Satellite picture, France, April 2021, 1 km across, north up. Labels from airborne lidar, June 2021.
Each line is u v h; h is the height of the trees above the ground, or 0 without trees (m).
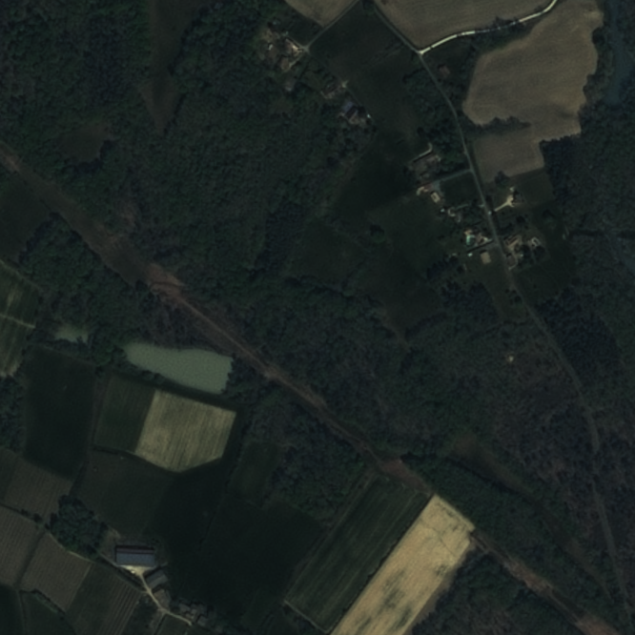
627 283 17
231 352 0
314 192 22
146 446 0
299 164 15
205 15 16
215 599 0
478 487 22
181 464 0
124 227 14
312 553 0
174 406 0
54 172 17
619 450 21
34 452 0
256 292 21
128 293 19
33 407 0
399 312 0
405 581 0
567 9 0
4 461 0
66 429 0
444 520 0
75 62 20
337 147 19
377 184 0
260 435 11
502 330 11
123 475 0
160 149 19
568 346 15
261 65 13
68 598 0
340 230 12
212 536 0
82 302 18
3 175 16
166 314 15
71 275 27
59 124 23
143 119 18
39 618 0
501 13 0
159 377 9
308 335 24
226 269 21
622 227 20
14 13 17
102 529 8
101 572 0
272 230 20
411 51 0
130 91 21
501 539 21
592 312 12
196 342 9
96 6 10
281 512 0
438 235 0
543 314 16
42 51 25
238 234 20
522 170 0
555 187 14
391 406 18
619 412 18
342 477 26
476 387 23
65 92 22
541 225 0
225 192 9
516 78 0
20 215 0
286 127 14
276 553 0
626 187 16
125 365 9
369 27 0
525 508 18
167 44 0
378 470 0
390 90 0
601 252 18
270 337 20
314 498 21
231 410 0
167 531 0
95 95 20
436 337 19
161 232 8
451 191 0
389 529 0
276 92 16
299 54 0
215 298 15
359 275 8
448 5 0
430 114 14
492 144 0
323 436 22
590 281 13
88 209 21
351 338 18
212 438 0
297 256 8
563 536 0
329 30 0
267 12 15
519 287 0
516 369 9
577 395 7
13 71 16
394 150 0
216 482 0
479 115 0
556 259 0
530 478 19
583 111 14
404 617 0
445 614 23
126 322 23
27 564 0
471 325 8
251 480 0
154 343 13
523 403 9
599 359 15
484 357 15
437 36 0
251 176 9
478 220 10
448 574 0
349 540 0
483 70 0
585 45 0
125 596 0
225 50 23
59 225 20
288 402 19
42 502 0
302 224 21
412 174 7
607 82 21
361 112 12
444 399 20
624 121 27
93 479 0
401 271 0
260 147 13
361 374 20
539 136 0
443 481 20
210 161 9
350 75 0
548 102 0
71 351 18
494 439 17
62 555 0
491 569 20
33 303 0
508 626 16
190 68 16
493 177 0
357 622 0
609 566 19
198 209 17
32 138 18
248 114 12
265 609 0
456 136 21
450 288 11
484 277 0
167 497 0
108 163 23
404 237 0
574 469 21
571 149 21
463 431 21
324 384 23
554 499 18
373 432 20
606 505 7
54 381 0
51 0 20
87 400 0
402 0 0
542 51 0
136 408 0
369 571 0
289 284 21
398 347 25
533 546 14
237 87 17
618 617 12
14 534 0
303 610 0
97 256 17
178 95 0
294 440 24
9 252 0
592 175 19
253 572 0
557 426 15
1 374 0
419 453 20
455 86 11
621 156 23
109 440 0
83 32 13
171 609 8
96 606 0
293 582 0
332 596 0
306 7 0
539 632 19
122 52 29
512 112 0
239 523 0
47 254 23
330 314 22
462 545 0
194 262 17
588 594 20
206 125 8
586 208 18
